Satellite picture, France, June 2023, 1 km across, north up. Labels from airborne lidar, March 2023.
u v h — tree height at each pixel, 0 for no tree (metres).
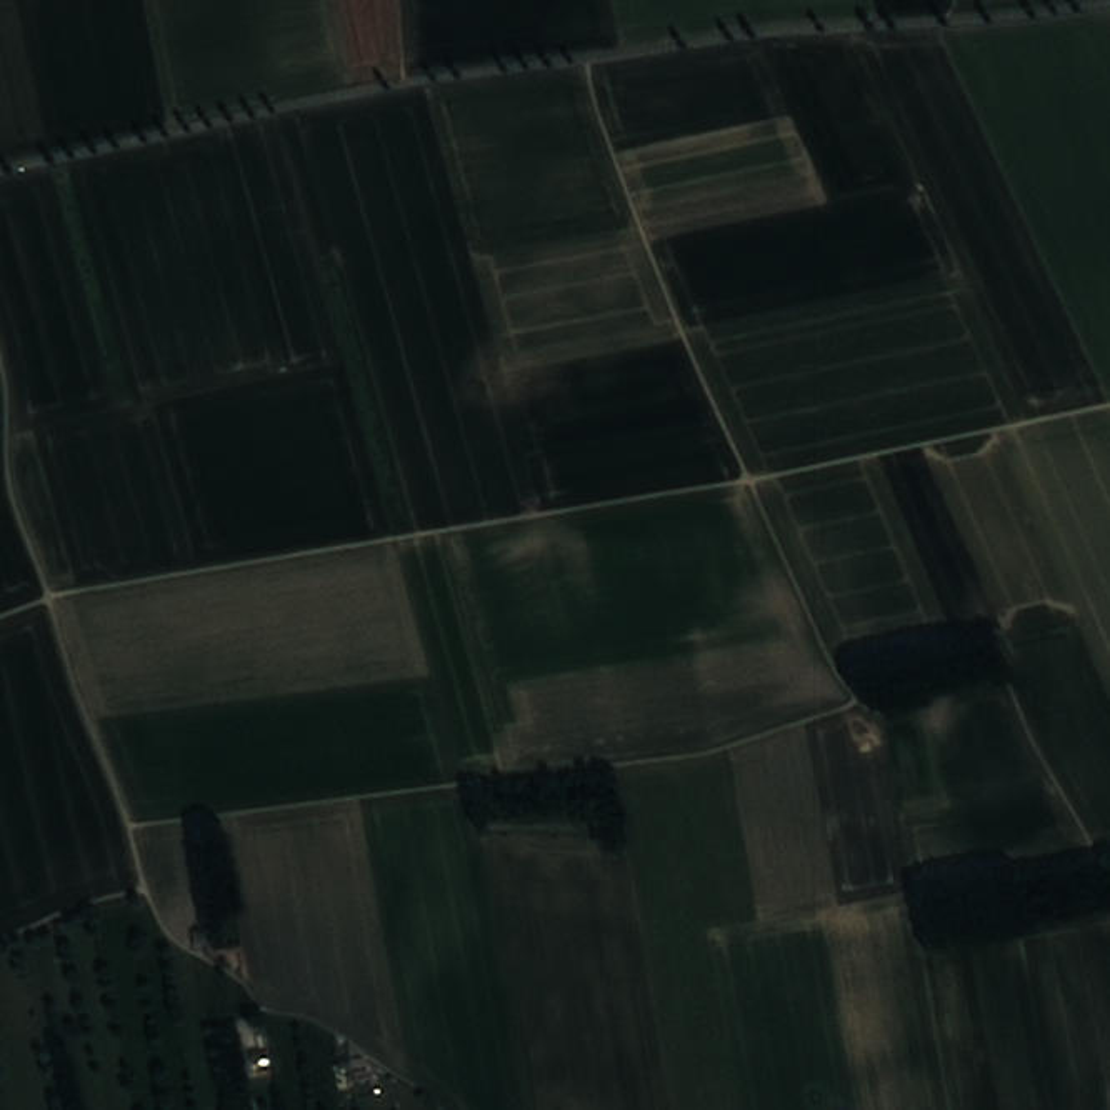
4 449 0
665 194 0
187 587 0
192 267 0
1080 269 0
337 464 0
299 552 0
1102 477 0
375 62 0
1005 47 0
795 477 0
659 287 0
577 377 0
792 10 0
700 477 0
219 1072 12
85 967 0
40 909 0
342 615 0
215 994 0
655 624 0
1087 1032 0
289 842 0
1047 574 0
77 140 0
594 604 0
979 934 32
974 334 0
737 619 0
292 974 0
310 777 0
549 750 0
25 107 0
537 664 0
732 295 0
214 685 0
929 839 0
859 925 0
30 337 0
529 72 0
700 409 0
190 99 0
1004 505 0
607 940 0
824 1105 0
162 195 0
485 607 0
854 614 0
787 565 0
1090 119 0
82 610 0
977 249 0
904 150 0
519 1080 0
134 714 0
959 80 0
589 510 0
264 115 0
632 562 0
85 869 0
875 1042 0
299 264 0
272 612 0
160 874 0
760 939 0
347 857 0
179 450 0
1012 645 0
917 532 0
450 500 0
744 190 0
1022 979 0
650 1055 0
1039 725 0
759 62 0
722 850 0
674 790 0
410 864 0
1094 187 0
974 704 0
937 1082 0
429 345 0
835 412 0
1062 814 0
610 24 0
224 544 0
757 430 0
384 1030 0
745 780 0
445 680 0
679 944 0
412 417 0
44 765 0
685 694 0
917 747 0
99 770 0
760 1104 0
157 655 0
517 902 0
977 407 0
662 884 0
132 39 0
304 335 0
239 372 0
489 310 0
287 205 0
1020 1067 0
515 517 0
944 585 0
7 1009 0
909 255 0
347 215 0
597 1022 0
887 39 0
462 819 0
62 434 0
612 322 0
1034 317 0
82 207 0
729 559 0
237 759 0
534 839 0
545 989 0
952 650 32
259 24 0
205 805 0
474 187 0
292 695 0
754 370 0
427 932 0
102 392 0
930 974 0
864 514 0
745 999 0
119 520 0
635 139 0
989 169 0
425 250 0
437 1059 0
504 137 0
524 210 0
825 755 0
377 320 0
